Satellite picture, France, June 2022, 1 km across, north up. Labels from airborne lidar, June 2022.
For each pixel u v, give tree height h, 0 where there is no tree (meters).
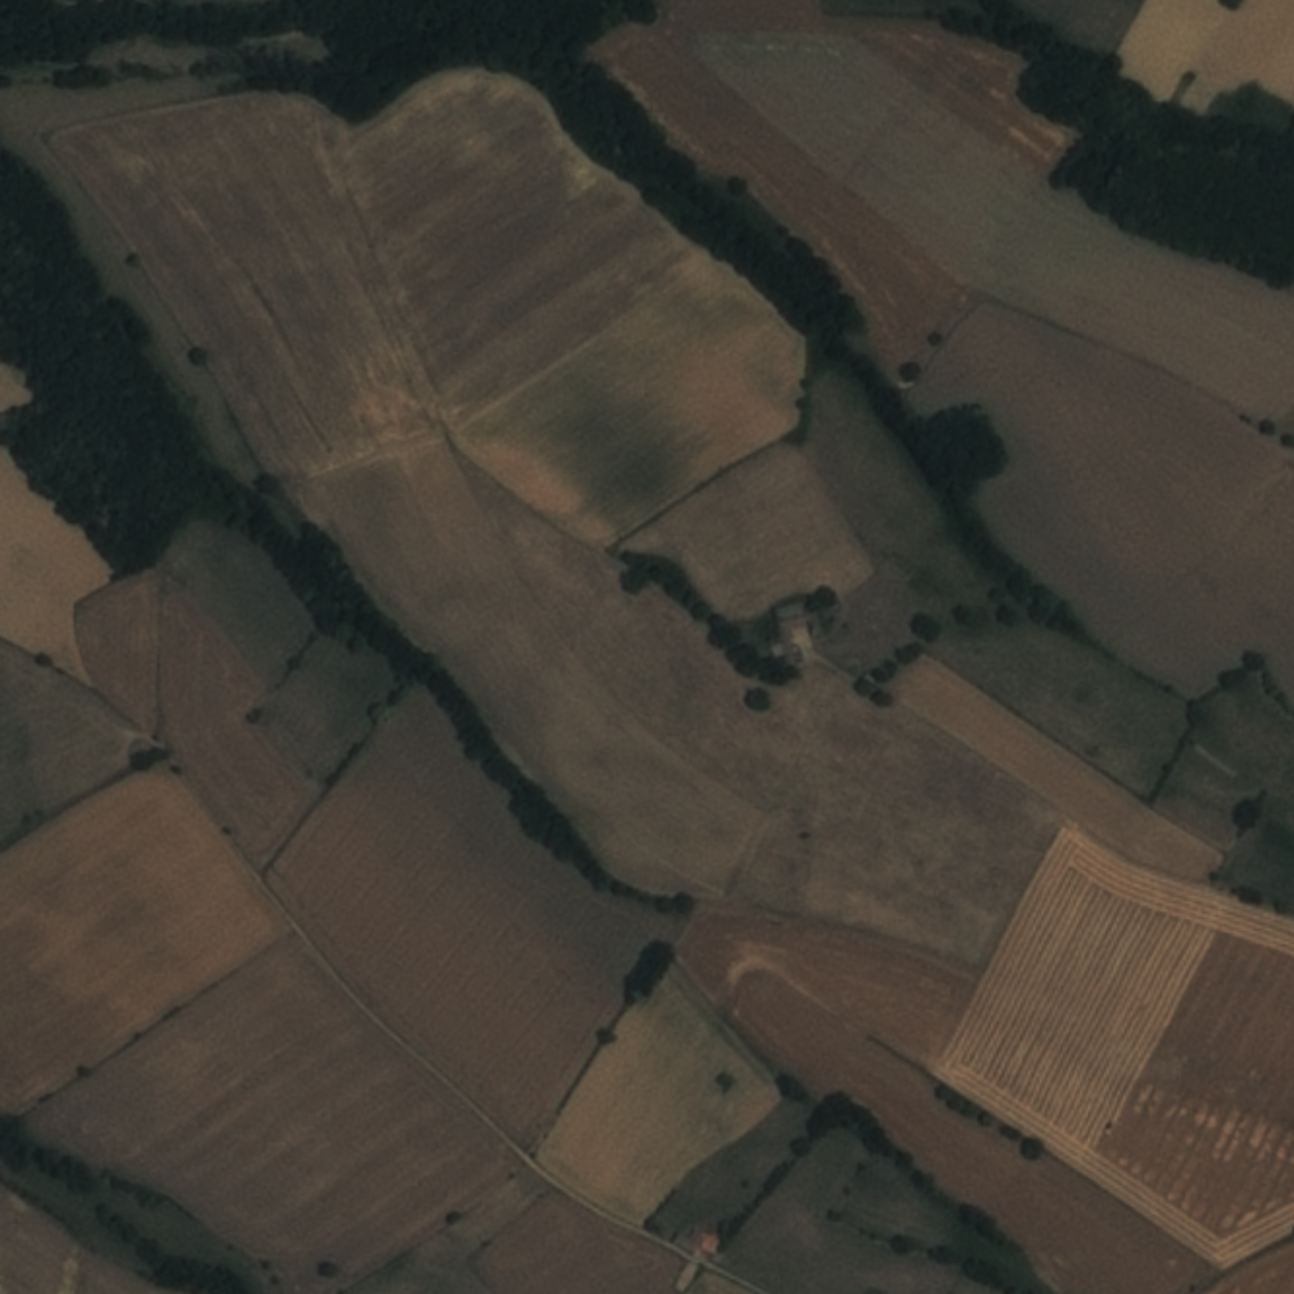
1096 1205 0
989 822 0
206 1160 0
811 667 0
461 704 19
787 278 23
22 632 0
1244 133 22
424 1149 0
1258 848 0
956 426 22
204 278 0
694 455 0
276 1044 0
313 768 0
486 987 0
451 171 0
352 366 0
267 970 0
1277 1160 0
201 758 0
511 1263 0
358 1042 0
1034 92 16
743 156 0
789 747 0
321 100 14
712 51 0
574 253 0
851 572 0
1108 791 0
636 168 11
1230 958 0
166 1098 0
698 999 0
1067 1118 0
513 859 0
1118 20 0
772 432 0
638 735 0
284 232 0
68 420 17
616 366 0
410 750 0
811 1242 0
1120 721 0
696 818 0
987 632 0
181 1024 0
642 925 0
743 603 0
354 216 0
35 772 0
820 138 0
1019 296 0
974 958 0
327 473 0
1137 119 22
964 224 0
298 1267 0
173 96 0
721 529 0
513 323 0
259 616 0
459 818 0
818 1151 0
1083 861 0
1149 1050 0
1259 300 0
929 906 0
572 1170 0
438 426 0
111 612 0
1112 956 0
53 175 0
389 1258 0
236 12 9
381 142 0
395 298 0
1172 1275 0
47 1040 0
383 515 0
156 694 0
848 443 0
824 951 0
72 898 0
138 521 22
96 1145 0
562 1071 0
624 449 0
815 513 0
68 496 19
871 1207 0
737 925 0
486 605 0
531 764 0
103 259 0
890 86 0
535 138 0
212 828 0
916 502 0
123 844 0
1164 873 0
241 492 9
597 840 0
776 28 0
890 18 0
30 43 28
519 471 0
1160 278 0
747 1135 0
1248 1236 0
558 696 0
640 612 0
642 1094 0
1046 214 0
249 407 0
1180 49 0
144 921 0
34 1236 0
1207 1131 0
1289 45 0
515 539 0
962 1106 10
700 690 0
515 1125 0
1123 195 19
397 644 18
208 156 0
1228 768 0
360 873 0
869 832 0
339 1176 0
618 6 21
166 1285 11
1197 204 22
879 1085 0
